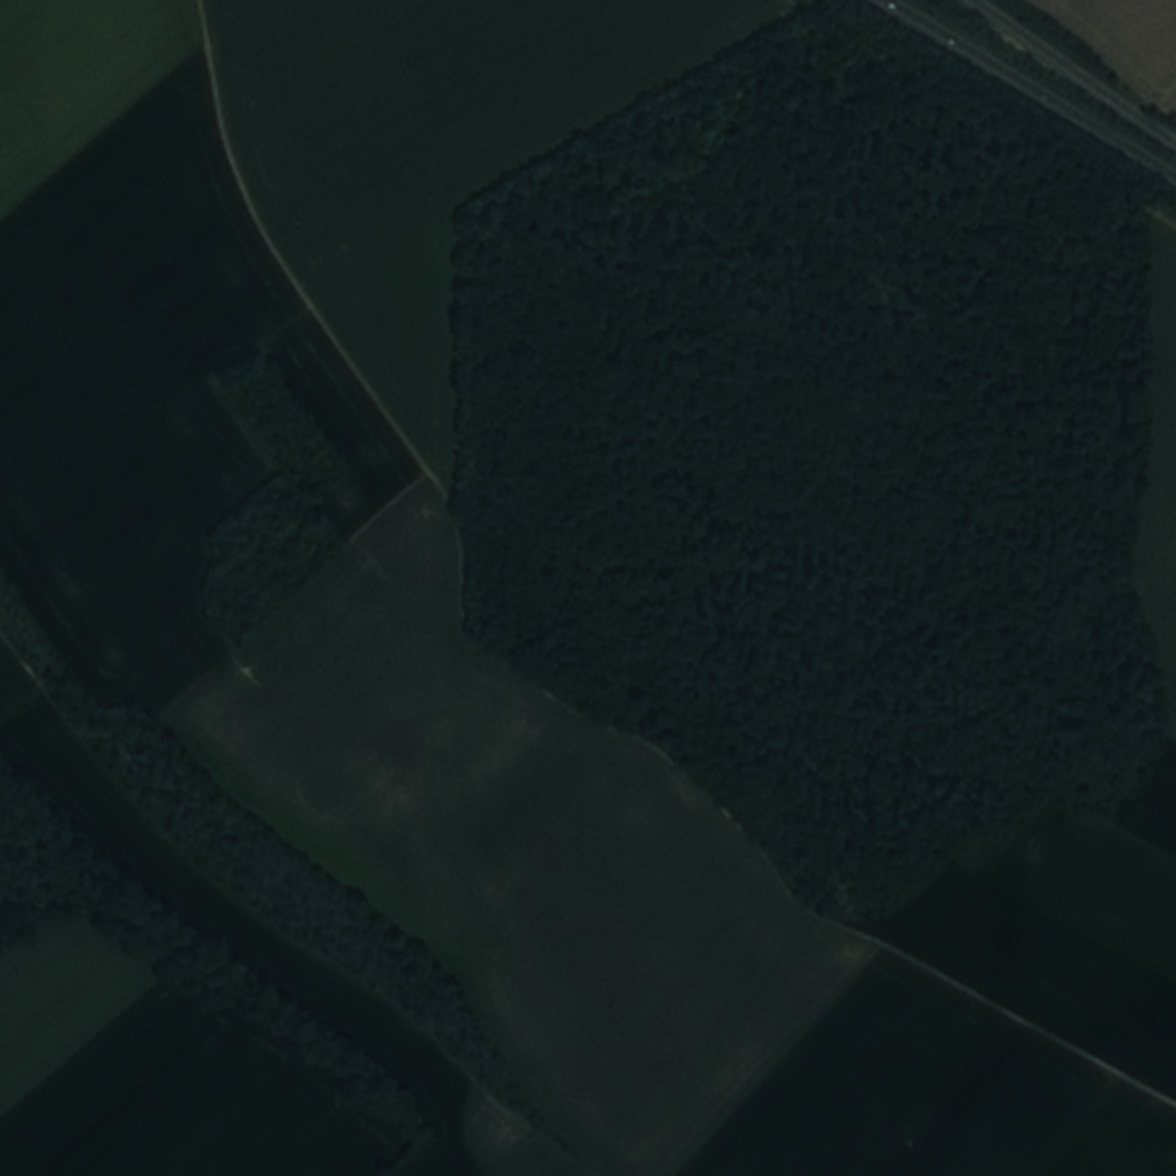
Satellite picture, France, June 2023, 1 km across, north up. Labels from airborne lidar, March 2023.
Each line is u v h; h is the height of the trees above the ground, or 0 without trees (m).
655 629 23
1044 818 0
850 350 16
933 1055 0
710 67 11
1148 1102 0
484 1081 9
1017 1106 0
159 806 14
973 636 23
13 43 0
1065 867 0
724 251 24
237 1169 0
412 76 0
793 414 22
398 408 0
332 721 0
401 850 0
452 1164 0
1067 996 0
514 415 21
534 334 21
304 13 0
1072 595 25
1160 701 19
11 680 0
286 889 13
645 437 23
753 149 21
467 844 0
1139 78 0
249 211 0
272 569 15
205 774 9
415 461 0
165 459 0
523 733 0
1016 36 0
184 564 0
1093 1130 0
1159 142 7
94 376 0
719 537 26
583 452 24
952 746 26
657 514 25
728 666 23
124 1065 0
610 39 0
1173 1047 0
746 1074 0
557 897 0
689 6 0
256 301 0
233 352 0
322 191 0
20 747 0
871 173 24
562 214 20
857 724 19
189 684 0
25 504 0
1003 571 21
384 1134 0
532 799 0
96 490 0
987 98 18
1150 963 0
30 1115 0
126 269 0
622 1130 0
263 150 0
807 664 28
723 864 0
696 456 25
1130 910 0
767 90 20
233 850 15
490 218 19
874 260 23
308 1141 0
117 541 0
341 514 0
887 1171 0
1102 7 0
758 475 24
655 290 22
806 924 0
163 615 0
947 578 23
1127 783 12
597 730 0
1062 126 14
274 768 0
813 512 24
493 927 0
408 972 16
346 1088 19
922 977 0
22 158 0
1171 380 0
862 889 19
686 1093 0
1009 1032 0
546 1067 0
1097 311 22
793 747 16
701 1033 0
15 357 0
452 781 0
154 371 0
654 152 23
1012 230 23
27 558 0
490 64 0
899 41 12
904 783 22
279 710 0
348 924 16
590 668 18
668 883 0
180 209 0
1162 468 0
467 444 13
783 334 21
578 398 21
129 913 16
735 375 23
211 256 0
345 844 0
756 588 23
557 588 25
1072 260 24
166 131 0
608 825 0
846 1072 0
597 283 24
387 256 0
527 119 0
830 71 7
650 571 24
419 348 0
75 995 0
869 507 23
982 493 24
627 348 25
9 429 0
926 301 26
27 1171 0
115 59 0
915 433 25
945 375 24
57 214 0
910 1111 0
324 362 0
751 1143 0
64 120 0
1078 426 19
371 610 0
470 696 0
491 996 0
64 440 0
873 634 24
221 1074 0
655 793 0
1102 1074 0
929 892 0
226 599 9
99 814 0
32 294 0
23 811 23
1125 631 17
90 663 0
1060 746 21
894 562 13
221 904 0
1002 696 24
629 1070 0
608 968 0
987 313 23
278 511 14
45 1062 0
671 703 19
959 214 22
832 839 23
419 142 0
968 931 0
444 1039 10
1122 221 8
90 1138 0
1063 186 25
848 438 24
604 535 25
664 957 0
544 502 24
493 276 18
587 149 15
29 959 0
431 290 0
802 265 25
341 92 0
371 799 0
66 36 0
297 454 17
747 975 0
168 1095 0
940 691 23
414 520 0
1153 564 0
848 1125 0
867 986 0
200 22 0
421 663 0
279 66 0
